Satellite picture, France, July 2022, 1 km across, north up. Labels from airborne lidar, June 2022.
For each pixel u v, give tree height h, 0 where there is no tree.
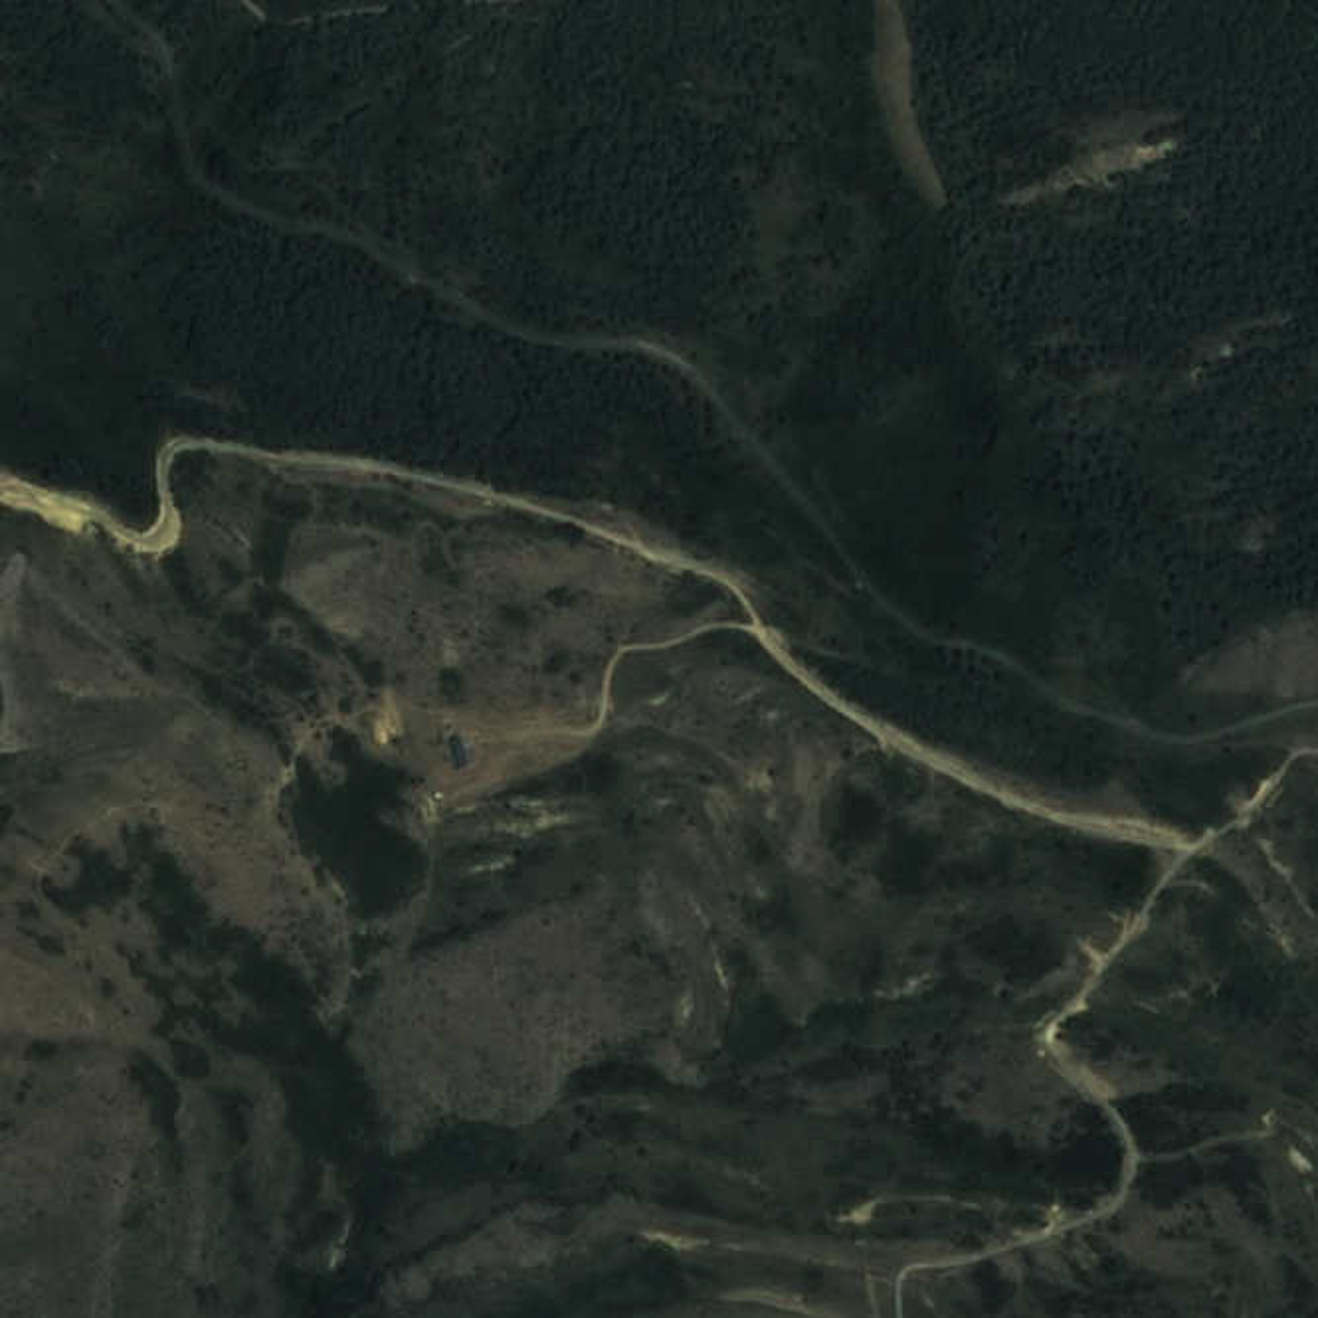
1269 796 0
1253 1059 0
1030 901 0
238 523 0
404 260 0
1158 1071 0
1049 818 0
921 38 8
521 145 9
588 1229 0
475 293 6
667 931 0
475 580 0
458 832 0
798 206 0
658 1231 0
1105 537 9
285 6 10
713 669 0
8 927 0
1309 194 16
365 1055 0
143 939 0
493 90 12
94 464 14
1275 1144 0
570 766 0
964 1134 5
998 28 13
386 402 12
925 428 5
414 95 15
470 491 0
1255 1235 0
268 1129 0
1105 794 0
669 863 0
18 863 0
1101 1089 0
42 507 0
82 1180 0
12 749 0
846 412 6
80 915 0
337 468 0
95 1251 0
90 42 13
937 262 9
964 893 0
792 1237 0
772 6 14
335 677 0
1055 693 0
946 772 0
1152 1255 0
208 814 0
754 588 0
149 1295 0
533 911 0
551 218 15
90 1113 0
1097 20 14
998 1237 0
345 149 10
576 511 0
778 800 0
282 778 0
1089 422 12
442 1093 0
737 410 0
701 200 16
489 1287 0
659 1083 9
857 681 9
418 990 0
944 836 0
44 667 0
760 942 0
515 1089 0
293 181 8
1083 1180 7
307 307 10
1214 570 15
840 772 0
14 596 0
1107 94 12
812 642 0
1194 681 0
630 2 12
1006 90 12
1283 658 0
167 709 0
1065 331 10
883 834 0
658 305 10
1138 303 13
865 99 14
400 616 0
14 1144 0
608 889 0
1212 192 14
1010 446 19
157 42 0
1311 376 15
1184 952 0
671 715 0
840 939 0
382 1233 7
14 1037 0
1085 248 7
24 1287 0
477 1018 0
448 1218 0
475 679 0
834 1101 0
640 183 13
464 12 11
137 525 0
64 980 0
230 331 15
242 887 0
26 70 8
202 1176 0
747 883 0
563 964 0
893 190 9
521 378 9
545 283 10
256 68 11
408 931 0
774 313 14
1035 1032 0
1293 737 0
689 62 10
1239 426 10
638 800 0
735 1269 0
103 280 10
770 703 0
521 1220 0
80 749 0
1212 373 14
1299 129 16
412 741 0
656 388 10
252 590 0
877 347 11
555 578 0
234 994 0
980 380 8
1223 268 13
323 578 0
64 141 8
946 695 7
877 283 5
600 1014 0
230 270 12
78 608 0
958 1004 0
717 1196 0
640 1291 0
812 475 0
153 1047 0
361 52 11
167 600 0
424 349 18
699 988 0
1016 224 13
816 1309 0
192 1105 0
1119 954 0
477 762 0
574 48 12
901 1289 0
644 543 0
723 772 0
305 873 0
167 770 0
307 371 12
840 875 0
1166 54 13
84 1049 0
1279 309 9
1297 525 10
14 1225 0
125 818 0
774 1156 0
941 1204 0
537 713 0
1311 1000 0
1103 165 0
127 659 0
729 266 13
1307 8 13
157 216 6
